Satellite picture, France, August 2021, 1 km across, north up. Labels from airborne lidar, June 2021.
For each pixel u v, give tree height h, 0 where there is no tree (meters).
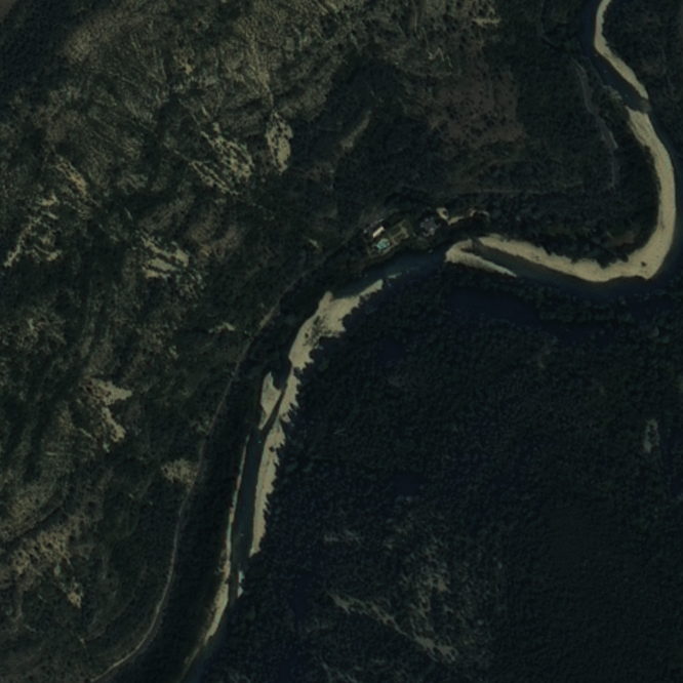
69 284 7
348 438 7
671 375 16
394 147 25
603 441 9
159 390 6
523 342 9
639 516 17
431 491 7
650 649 12
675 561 18
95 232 15
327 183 9
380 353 15
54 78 10
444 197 21
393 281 0
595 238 16
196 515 13
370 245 6
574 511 8
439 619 13
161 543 8
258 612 15
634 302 18
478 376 13
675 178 0
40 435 8
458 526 6
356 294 0
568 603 7
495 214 34
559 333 22
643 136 0
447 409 12
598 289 0
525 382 14
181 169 9
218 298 22
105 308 7
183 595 16
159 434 9
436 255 0
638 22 7
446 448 7
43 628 10
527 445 8
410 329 12
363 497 15
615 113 12
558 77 8
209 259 8
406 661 14
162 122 10
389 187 17
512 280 13
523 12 6
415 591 7
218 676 10
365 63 11
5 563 7
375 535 10
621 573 6
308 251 27
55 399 8
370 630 8
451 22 11
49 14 16
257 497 0
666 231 0
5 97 13
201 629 0
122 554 11
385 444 7
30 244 15
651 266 0
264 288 15
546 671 7
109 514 5
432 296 23
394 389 12
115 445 19
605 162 10
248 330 8
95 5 9
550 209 24
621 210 20
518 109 9
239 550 0
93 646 7
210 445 12
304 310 21
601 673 7
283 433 0
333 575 9
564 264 0
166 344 6
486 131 5
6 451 8
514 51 18
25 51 16
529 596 9
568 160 10
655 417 6
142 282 6
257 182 9
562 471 6
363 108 17
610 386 11
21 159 7
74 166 10
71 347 9
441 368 13
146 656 9
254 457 0
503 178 17
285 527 9
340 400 13
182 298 9
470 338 12
